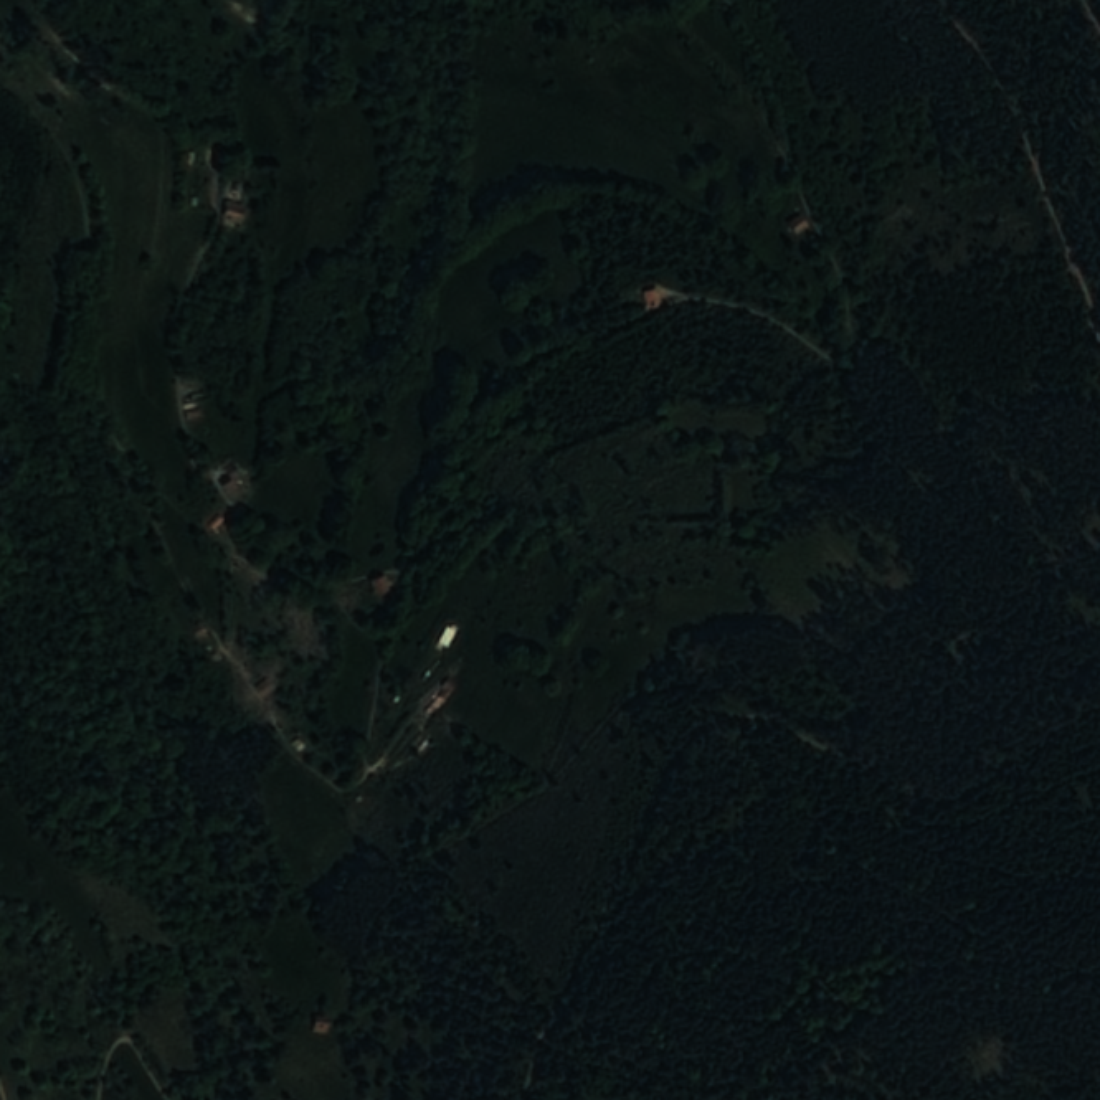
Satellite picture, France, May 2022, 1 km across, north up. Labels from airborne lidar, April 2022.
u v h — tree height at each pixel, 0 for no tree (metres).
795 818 16
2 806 0
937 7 24
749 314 10
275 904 19
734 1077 19
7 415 7
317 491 0
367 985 10
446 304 0
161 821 21
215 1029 26
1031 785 18
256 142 0
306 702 12
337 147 0
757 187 27
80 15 10
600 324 13
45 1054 0
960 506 31
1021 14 15
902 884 23
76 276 18
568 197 25
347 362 15
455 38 23
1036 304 11
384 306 20
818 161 14
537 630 0
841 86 19
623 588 12
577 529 24
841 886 22
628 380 6
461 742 17
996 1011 23
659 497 0
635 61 0
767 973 17
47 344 0
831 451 12
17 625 11
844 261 11
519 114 0
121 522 13
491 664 0
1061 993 22
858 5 23
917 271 14
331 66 24
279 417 10
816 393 14
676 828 13
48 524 9
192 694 15
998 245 0
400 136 24
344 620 7
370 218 11
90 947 0
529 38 0
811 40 22
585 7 29
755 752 17
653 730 22
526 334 0
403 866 10
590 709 0
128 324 0
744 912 16
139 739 28
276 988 0
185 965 15
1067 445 30
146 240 0
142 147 0
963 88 28
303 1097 0
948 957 24
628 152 0
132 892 12
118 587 15
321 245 0
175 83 9
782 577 0
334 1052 0
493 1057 17
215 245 6
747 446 14
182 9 7
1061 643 28
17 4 0
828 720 13
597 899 7
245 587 0
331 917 29
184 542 0
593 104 0
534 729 0
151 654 15
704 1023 22
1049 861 11
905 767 32
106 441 22
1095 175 32
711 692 18
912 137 6
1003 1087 25
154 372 0
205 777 29
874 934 20
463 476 22
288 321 15
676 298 0
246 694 0
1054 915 22
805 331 17
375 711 0
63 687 22
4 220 9
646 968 14
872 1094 8
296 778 0
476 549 13
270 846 15
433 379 0
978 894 21
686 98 0
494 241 7
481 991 26
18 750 14
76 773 14
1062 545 21
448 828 11
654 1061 17
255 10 0
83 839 11
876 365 27
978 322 17
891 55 22
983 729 31
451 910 10
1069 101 10
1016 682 30
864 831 21
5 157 7
